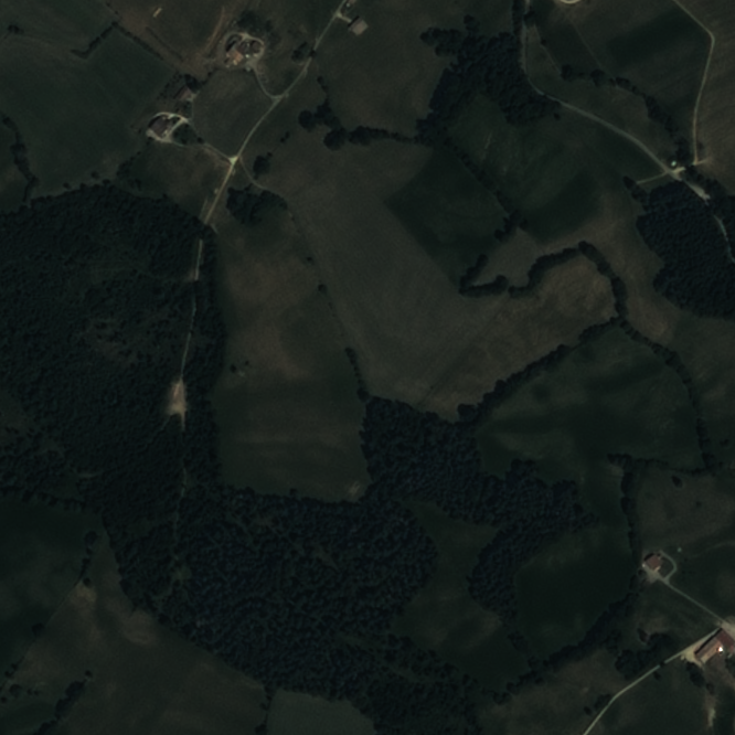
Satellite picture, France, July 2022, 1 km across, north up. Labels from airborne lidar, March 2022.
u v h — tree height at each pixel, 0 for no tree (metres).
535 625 0
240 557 32
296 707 0
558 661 20
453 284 0
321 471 0
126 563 13
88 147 0
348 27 0
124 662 0
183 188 0
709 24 0
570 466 0
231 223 0
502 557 26
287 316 0
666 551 0
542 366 17
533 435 0
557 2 0
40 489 11
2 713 0
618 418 0
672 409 0
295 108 0
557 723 0
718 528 0
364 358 0
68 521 0
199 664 0
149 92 0
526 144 0
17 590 0
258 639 30
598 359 0
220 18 0
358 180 0
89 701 0
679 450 0
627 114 0
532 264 0
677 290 30
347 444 0
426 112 0
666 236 23
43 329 8
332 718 0
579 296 0
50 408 8
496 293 15
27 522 0
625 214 0
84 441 7
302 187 0
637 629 0
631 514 16
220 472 8
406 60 0
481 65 22
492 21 0
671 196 29
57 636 0
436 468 25
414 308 0
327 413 0
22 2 0
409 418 20
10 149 0
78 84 0
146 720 0
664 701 0
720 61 0
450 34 11
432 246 0
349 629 31
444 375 0
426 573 23
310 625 22
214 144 0
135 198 8
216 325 6
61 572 0
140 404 13
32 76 0
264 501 21
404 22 0
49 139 0
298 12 0
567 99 0
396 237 0
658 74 0
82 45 0
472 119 0
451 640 0
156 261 12
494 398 18
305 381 0
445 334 0
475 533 0
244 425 0
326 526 33
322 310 0
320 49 0
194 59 0
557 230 0
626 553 0
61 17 0
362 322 0
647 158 0
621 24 0
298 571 23
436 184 0
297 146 0
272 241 0
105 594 0
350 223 0
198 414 6
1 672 0
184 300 14
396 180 0
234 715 0
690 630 0
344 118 0
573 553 0
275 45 0
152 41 0
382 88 0
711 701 0
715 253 20
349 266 0
